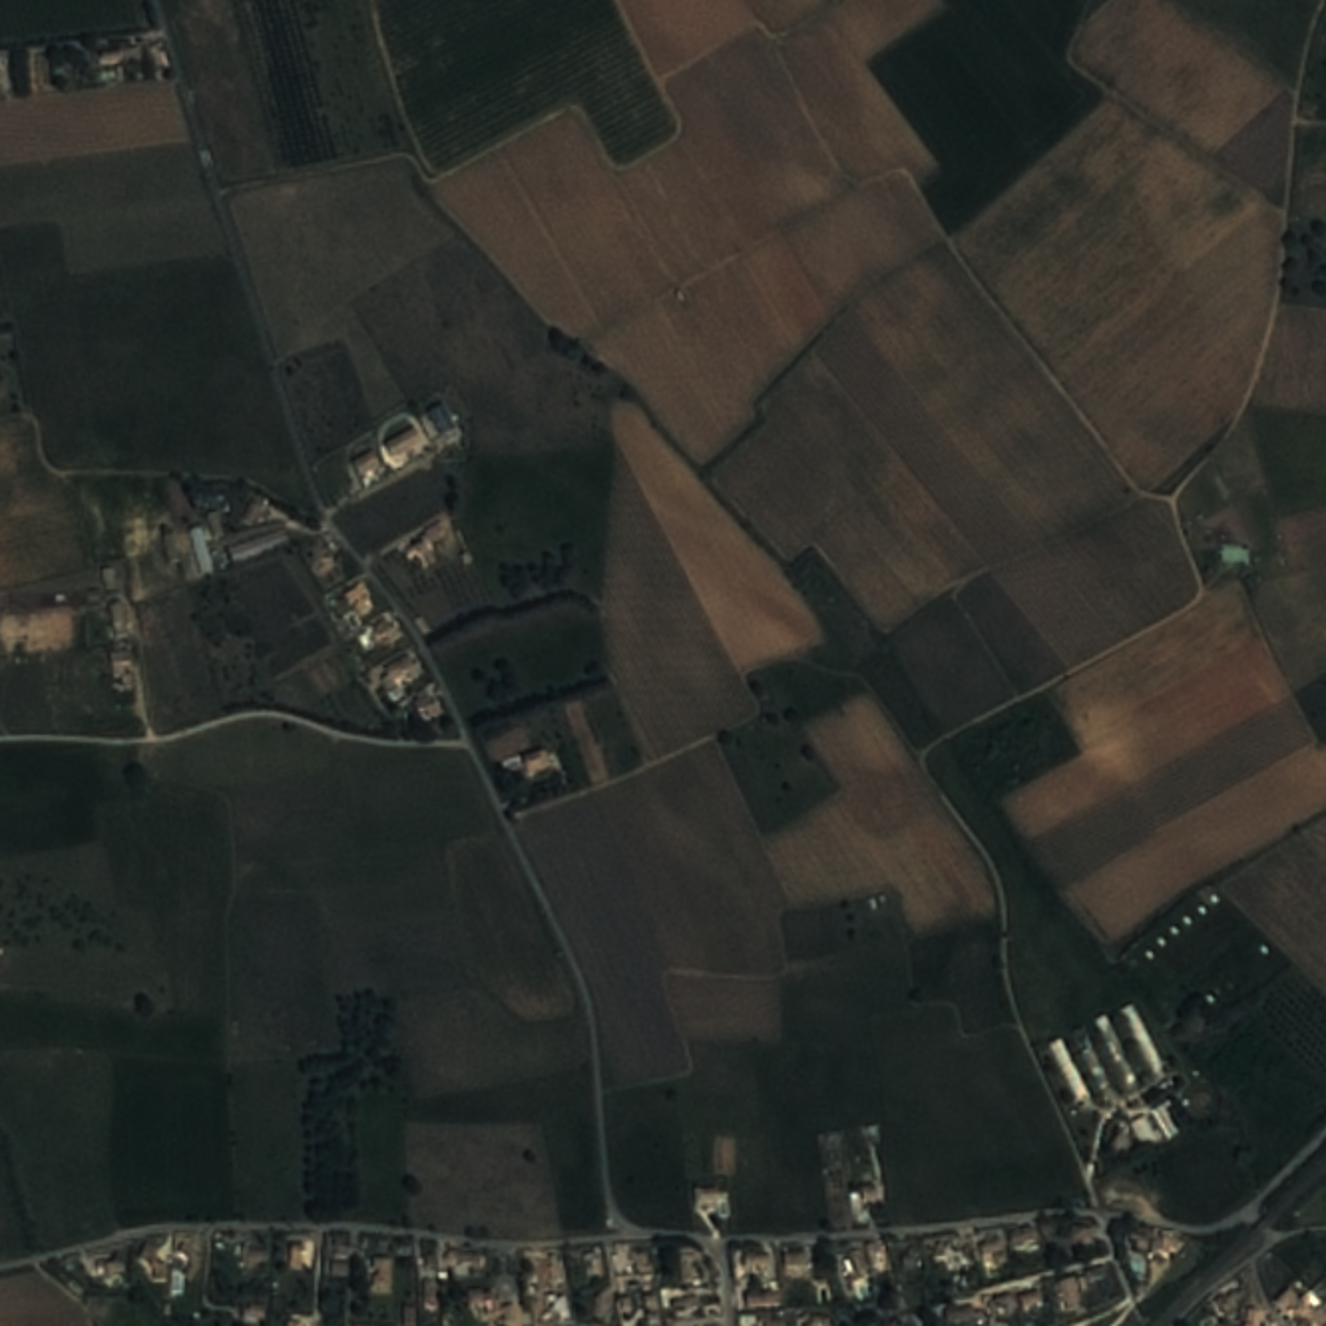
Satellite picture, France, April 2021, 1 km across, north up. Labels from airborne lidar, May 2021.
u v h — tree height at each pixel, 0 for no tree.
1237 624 0
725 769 0
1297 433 0
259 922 0
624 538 0
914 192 0
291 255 0
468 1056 0
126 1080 0
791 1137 0
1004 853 0
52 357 0
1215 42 0
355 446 0
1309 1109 0
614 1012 0
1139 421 0
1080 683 0
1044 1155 0
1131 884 0
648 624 0
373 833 0
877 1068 0
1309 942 0
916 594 0
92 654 0
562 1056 0
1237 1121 7
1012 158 0
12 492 0
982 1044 0
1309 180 0
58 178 0
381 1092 10
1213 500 0
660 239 0
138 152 0
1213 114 0
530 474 0
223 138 0
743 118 0
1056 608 0
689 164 0
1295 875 0
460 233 0
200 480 7
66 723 0
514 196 0
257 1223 0
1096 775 0
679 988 0
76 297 0
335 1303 12
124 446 0
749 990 0
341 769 0
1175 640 0
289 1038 0
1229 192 0
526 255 0
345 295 0
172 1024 0
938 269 0
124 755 0
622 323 0
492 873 0
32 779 0
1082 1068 9
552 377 0
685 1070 0
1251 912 0
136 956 0
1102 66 0
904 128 0
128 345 0
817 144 0
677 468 0
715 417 0
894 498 0
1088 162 0
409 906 0
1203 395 0
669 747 0
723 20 0
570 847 0
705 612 0
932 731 0
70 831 0
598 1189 0
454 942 0
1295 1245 0
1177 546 0
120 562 0
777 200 0
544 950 0
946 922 0
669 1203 0
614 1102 0
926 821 0
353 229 0
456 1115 0
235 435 0
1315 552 0
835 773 0
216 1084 0
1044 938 0
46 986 0
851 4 0
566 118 0
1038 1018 0
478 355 0
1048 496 0
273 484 0
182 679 0
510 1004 0
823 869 0
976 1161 0
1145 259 0
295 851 0
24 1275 0
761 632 0
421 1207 0
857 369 0
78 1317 0
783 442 0
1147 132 0
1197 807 0
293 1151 0
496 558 0
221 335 0
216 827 0
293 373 10
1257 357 0
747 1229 0
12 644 0
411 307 0
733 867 0
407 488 0
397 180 0
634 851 0
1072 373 0
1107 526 0
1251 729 0
